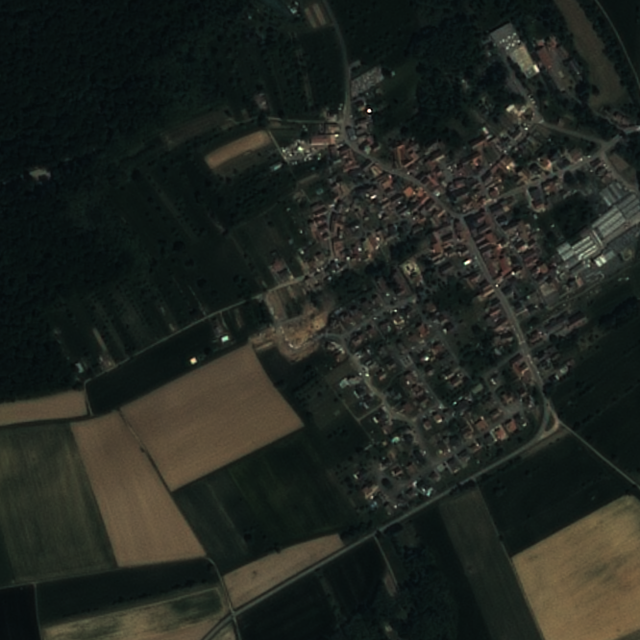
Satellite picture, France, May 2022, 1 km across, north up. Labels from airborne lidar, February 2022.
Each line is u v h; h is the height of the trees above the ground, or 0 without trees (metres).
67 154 26
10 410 0
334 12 0
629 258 0
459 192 0
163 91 22
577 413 0
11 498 0
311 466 0
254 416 0
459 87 14
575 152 0
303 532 0
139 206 0
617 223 0
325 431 0
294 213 0
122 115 19
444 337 0
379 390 0
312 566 0
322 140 0
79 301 0
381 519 0
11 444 0
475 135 0
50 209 26
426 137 0
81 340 0
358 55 0
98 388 0
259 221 0
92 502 0
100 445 0
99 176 24
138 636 0
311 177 0
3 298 26
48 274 30
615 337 0
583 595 0
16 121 25
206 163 0
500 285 0
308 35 0
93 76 23
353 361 0
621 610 0
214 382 0
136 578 0
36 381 26
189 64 21
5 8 25
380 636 18
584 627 0
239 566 0
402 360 0
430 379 0
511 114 0
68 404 0
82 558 0
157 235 0
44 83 27
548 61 0
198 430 0
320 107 11
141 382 0
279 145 0
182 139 0
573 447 0
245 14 0
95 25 24
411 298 0
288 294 0
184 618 0
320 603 0
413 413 0
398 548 15
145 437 0
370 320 0
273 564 0
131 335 0
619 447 0
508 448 0
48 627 0
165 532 0
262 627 0
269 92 0
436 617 21
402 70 0
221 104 9
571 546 0
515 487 0
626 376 0
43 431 0
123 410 0
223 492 0
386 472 0
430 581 20
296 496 0
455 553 0
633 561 0
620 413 0
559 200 0
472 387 11
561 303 0
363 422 0
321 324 0
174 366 0
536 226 0
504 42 0
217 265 0
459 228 0
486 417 0
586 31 0
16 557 0
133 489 0
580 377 0
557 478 0
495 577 0
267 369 0
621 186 0
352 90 0
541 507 0
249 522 0
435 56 27
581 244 0
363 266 0
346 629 18
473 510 0
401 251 17
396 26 0
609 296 0
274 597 0
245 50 0
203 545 0
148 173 0
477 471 0
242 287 12
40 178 0
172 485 0
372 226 0
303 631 0
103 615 0
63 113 21
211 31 18
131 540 0
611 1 0
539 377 0
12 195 26
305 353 0
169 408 0
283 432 0
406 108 0
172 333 0
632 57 0
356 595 0
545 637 0
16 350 27
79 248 25
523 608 0
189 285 0
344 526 0
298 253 0
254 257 0
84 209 19
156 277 0
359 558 0
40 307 26
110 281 23
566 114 0
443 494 0
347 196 0
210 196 0
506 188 0
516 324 0
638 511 0
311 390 0
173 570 0
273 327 19
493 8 0
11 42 20
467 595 0
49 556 0
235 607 0
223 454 0
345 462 0
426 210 0
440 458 0
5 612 0
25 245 31
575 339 13
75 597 0
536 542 0
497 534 0
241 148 0
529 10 0
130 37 26
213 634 0
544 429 0
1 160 28
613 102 0
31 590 0
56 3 26
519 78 12
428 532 0
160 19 25
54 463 0
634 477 0
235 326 0
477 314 0
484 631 0
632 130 0
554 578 0
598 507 0
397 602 7
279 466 0
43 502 0
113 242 20
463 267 0
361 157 0
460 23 23
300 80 6
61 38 26
